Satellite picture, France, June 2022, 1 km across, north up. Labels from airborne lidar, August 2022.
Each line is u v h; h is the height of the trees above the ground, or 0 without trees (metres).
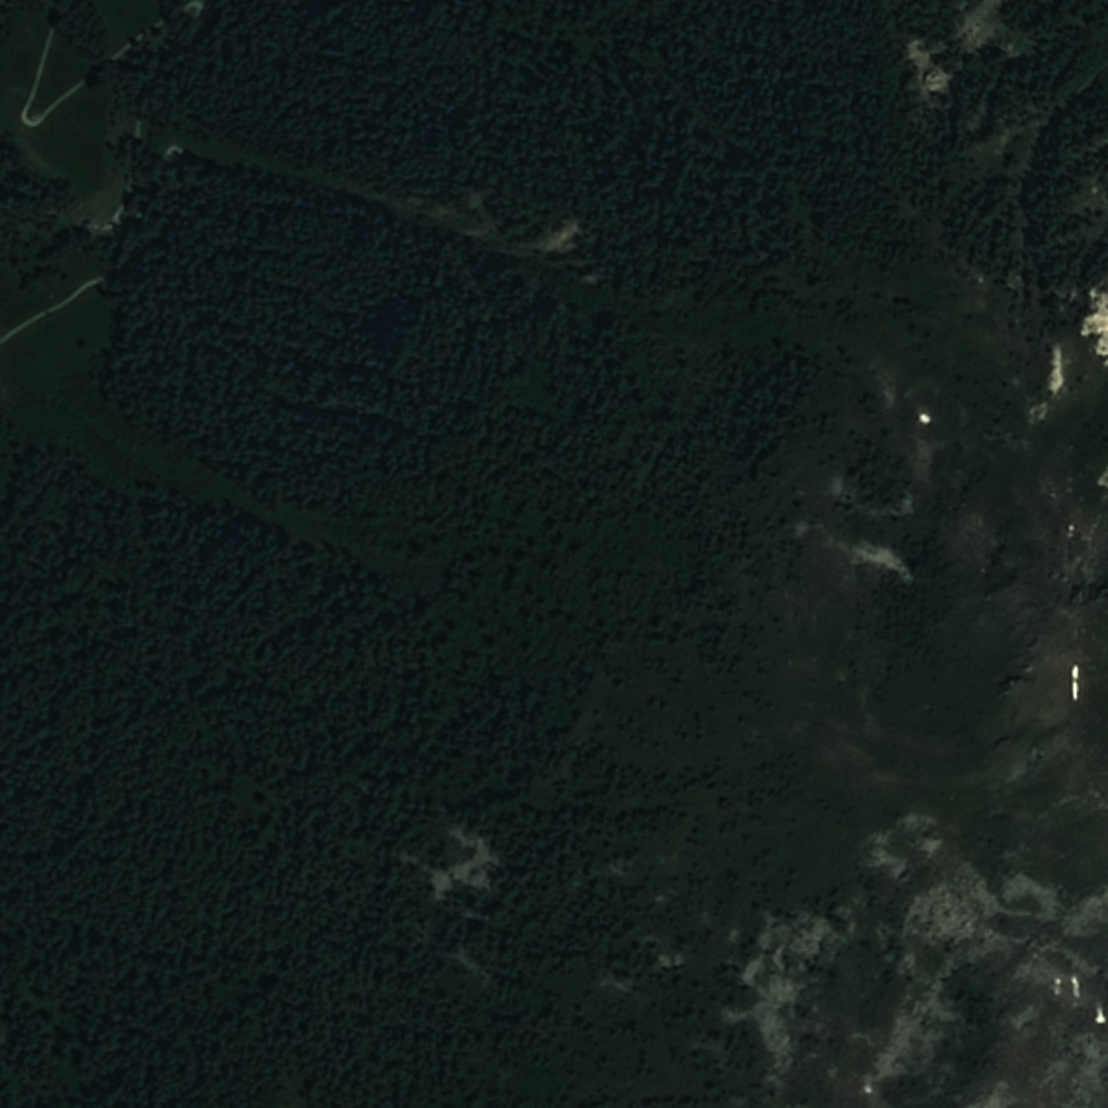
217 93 32
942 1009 0
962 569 0
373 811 22
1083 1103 0
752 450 12
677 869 0
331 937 15
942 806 0
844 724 0
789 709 0
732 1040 9
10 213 20
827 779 0
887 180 22
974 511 0
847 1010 0
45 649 25
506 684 7
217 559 29
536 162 28
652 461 13
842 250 20
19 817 21
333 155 32
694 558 8
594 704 0
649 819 11
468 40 26
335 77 28
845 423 0
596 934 18
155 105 22
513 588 18
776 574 0
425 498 23
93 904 31
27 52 0
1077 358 0
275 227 27
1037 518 0
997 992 0
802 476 0
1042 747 0
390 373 14
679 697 0
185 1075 25
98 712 6
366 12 24
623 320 7
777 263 13
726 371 5
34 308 0
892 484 8
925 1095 0
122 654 23
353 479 27
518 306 21
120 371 26
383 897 18
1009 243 14
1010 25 14
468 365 25
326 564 7
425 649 23
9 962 27
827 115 26
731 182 20
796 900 0
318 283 25
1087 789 0
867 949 9
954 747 0
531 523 0
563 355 25
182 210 28
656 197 30
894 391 0
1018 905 0
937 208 14
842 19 28
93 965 22
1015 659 0
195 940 28
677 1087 0
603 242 18
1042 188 19
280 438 28
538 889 18
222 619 27
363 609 22
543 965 17
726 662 9
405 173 22
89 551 31
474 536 10
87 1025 31
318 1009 16
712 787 9
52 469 23
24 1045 26
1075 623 0
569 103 8
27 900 30
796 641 0
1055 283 8
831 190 18
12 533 17
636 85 24
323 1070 16
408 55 27
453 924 14
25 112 0
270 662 26
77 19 23
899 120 21
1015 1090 0
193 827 28
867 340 0
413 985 21
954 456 0
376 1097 14
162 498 19
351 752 12
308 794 17
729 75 22
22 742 24
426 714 23
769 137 22
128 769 30
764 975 0
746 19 21
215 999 24
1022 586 0
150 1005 27
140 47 15
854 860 0
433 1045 17
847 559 0
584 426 18
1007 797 0
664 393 6
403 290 19
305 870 20
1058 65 11
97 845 30
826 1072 0
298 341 21
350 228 23
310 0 7
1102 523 0
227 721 25
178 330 27
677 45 29
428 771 17
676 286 25
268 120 28
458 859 0
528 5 30
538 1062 10
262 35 28
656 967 7
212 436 25
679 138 21
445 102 32
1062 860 0
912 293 0
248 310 31
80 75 0
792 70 26
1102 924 0
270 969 22
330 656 25
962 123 19
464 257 15
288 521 0
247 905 15
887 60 20
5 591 26
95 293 0
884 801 0
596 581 11
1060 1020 0
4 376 0
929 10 24
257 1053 17
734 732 0
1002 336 0
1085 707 0
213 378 26
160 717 26
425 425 21
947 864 0
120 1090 34
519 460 24
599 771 12
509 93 30
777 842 0
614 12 22
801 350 13
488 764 10
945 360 0
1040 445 0
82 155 0
